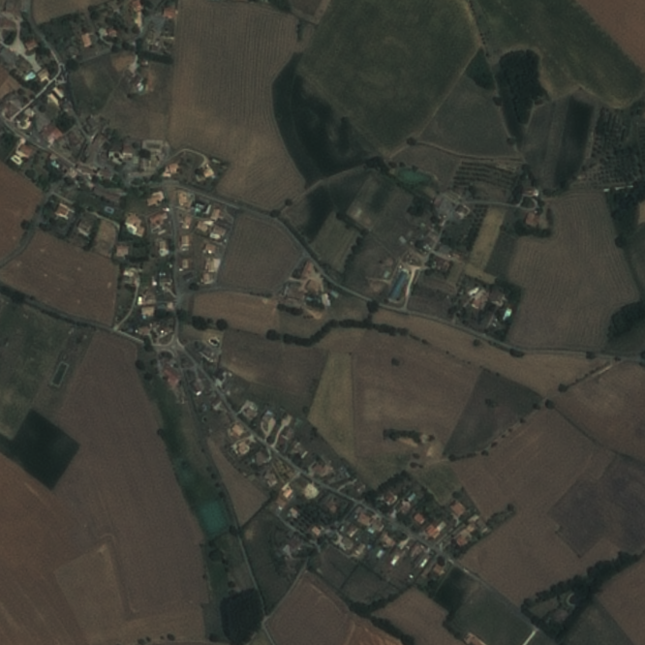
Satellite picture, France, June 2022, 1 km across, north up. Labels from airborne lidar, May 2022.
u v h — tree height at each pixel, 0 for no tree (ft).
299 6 0
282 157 0
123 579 0
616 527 0
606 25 0
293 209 0
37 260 0
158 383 0
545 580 0
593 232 0
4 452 0
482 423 0
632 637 0
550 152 0
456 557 35
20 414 0
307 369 0
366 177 0
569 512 0
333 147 0
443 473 0
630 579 0
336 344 0
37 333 0
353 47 0
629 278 0
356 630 0
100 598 0
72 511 0
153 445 0
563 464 0
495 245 0
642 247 0
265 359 0
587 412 0
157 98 0
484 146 0
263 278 0
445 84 0
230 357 0
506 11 0
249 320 0
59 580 0
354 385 0
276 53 0
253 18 0
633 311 40
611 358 0
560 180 0
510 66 54
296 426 0
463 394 0
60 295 0
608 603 0
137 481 0
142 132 0
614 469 0
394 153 0
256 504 0
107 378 0
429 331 0
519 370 0
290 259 0
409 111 0
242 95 0
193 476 0
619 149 20
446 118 0
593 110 0
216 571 0
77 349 0
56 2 0
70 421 0
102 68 0
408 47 0
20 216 0
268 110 0
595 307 0
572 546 0
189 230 0
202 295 0
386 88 0
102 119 23
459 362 0
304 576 0
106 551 0
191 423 0
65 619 0
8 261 0
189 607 0
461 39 0
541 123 0
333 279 0
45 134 0
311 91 0
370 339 0
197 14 0
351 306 0
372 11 0
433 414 0
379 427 0
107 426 0
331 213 0
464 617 0
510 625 0
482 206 18
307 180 0
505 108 0
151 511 0
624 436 0
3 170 0
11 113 0
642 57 0
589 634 0
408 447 0
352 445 0
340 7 0
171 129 0
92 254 0
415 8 0
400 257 0
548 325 0
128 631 0
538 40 0
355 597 0
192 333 0
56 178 20
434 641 0
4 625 0
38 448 0
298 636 0
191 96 0
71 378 0
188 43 0
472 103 0
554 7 0
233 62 0
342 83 0
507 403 0
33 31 28
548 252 0
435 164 0
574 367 0
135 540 0
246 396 0
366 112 0
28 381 0
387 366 0
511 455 0
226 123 0
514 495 0
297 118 0
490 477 0
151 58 40
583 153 0
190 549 0
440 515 19
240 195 0
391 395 0
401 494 21
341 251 0
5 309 0
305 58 0
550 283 0
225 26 0
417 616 0
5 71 0
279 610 0
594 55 0
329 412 0
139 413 0
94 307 0
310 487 0
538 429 0
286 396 0
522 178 25
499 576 0
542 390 0
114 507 0
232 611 95
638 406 0
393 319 0
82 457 0
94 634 0
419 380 0
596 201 0
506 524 0
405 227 0
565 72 0
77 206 27
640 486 0
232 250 0
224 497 33
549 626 43
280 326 0
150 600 0
